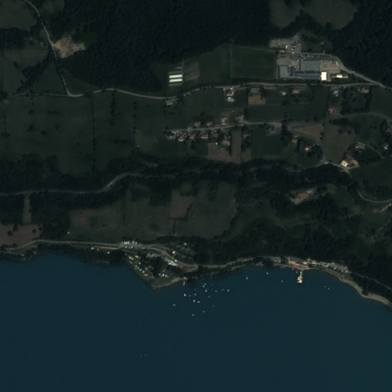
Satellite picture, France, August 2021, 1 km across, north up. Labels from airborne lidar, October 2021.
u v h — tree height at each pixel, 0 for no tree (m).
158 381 0
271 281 0
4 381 0
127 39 28
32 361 0
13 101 0
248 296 0
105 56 29
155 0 35
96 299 0
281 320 0
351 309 0
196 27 31
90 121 0
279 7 0
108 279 0
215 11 28
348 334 0
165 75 0
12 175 13
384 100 0
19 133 0
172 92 0
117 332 0
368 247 0
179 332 0
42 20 13
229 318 0
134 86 12
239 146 0
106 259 7
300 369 0
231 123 0
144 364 0
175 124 0
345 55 25
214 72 0
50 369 0
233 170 13
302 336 0
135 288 0
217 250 6
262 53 0
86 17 31
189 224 0
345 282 0
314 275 0
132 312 0
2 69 0
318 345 0
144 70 15
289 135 19
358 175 0
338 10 0
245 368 0
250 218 0
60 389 0
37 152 0
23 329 0
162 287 0
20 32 21
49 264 0
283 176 21
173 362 0
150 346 0
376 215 0
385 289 18
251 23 31
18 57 0
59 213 11
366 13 31
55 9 0
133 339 0
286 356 0
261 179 18
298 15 0
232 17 25
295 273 0
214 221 0
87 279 0
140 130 0
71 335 0
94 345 0
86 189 11
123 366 0
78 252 9
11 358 0
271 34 16
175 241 14
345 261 19
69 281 0
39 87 0
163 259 14
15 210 8
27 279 0
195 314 0
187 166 8
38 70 13
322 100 0
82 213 0
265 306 0
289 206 19
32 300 0
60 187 15
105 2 33
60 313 0
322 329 0
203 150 0
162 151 0
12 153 0
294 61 0
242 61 0
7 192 11
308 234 15
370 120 0
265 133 0
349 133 9
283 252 5
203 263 12
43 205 11
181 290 0
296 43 0
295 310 0
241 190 8
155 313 0
